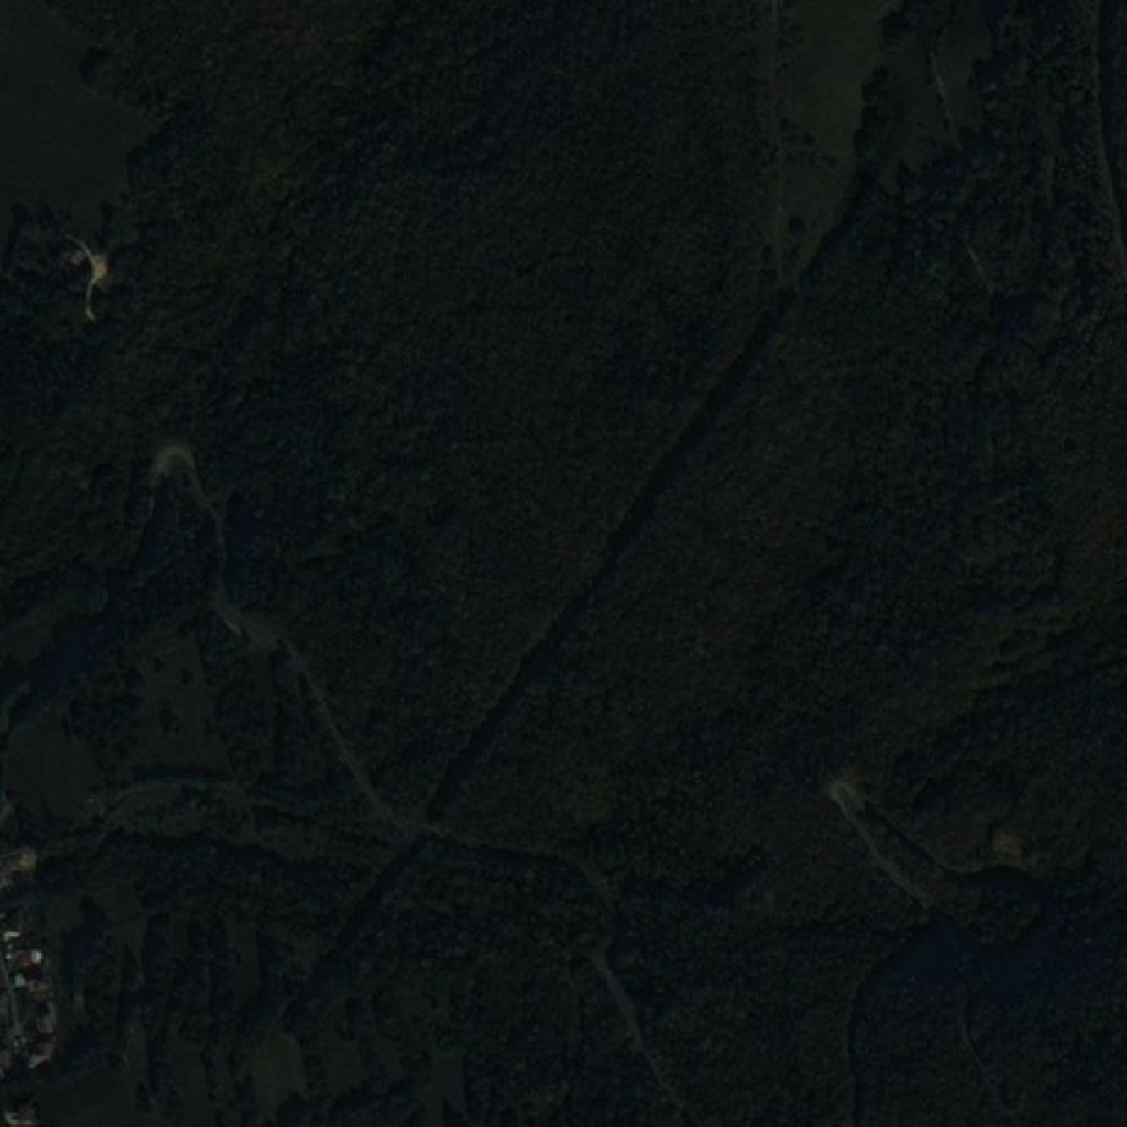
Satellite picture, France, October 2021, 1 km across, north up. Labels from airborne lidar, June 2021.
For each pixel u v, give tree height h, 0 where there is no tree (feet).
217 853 43
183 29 53
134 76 56
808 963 62
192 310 60
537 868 46
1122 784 58
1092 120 66
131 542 43
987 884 42
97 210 0
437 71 71
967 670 53
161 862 70
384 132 78
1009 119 43
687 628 53
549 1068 63
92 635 32
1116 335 77
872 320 63
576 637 65
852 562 77
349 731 39
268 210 57
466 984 39
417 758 54
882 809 52
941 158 0
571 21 79
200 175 33
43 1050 0
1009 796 68
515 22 85
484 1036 38
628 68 56
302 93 63
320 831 42
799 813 68
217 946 24
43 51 0
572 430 61
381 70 76
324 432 58
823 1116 66
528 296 82
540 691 78
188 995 42
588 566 33
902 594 63
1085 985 80
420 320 65
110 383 37
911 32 58
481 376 84
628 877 18
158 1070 40
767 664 86
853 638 88
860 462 56
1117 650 102
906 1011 70
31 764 0
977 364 41
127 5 63
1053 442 80
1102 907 105
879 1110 69
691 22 66
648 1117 78
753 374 37
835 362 45
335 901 64
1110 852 60
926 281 69
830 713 94
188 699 0
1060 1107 82
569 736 62
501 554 57
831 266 69
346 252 97
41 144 0
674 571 63
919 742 29
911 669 86
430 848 45
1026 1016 68
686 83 60
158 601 83
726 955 77
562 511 33
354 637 50
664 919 68
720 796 73
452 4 94
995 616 81
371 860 44
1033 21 21
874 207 49
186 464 0
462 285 77
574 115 94
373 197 86
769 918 83
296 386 80
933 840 65
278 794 40
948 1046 63
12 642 0
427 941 71
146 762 0
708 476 55
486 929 56
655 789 75
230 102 36
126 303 45
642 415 70
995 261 44
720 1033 44
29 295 34
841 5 0
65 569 56
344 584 47
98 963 53
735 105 63
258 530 73
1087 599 87
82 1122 0
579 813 63
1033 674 84
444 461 57
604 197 79
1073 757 81
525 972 42
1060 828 102
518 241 84
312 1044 49
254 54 32
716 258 53
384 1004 35
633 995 33
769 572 89
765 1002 55
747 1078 44
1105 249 81
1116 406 88
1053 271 78
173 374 73
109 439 66
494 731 48
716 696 82
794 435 45
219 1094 23
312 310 83
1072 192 22
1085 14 81
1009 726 108
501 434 62
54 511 58
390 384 64
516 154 78
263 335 68
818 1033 63
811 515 66
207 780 28
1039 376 90
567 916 77
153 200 54
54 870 56
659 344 68
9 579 42
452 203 85
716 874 24
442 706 43
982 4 0
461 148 84
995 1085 37
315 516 72
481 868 59
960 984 68
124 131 0
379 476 93
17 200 0
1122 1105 67
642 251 62
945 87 0
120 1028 42
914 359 53
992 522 27
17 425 55
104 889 39
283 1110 0
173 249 62
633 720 53
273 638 0
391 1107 42
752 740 91
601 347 73
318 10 73
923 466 54
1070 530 74
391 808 39
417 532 79
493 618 81
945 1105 67
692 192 63
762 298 29
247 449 68
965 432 56
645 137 70
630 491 54
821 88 0
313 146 54
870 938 67
